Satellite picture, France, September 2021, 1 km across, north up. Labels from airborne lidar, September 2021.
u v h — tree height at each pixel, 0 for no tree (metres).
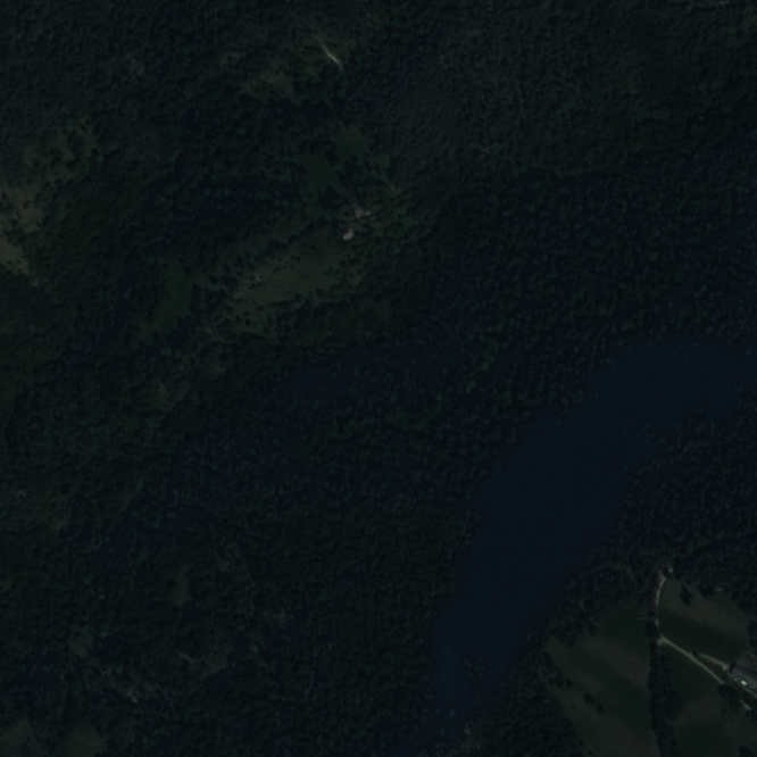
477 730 15
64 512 17
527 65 24
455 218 29
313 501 27
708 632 0
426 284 26
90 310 33
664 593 0
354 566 19
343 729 28
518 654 14
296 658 31
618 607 21
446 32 22
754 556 20
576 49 21
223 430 30
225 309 13
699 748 0
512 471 16
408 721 23
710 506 29
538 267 32
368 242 17
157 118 21
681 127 30
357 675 25
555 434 10
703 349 23
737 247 15
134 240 32
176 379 17
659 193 33
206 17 21
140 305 33
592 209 25
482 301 29
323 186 0
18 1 18
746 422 23
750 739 0
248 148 23
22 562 36
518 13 20
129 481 30
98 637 29
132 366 26
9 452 16
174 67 29
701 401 27
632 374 32
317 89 19
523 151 20
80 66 22
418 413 30
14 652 33
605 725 0
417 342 38
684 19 21
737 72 21
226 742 20
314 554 23
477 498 14
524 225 33
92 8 32
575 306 30
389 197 11
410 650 25
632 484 23
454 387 24
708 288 20
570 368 23
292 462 18
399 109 18
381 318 28
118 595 30
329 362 28
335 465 21
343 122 13
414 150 18
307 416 22
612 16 23
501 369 17
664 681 11
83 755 0
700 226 30
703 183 29
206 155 22
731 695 16
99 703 32
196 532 24
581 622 16
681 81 24
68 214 23
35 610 31
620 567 26
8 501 18
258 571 27
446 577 26
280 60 21
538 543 27
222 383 29
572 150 24
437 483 16
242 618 17
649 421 12
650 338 15
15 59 20
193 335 22
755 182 31
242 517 21
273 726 17
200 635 23
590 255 35
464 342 29
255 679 28
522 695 20
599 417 23
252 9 25
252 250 0
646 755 0
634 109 21
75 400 22
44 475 27
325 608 25
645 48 24
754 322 23
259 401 27
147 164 27
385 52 24
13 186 14
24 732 0
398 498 28
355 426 22
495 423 27
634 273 22
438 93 21
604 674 0
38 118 14
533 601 14
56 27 22
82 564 23
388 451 27
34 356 26
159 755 20
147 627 15
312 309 10
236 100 15
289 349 31
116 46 33
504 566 28
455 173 23
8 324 13
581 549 15
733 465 23
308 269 0
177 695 24
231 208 21
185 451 38
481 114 17
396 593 30
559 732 17
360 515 24
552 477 33
